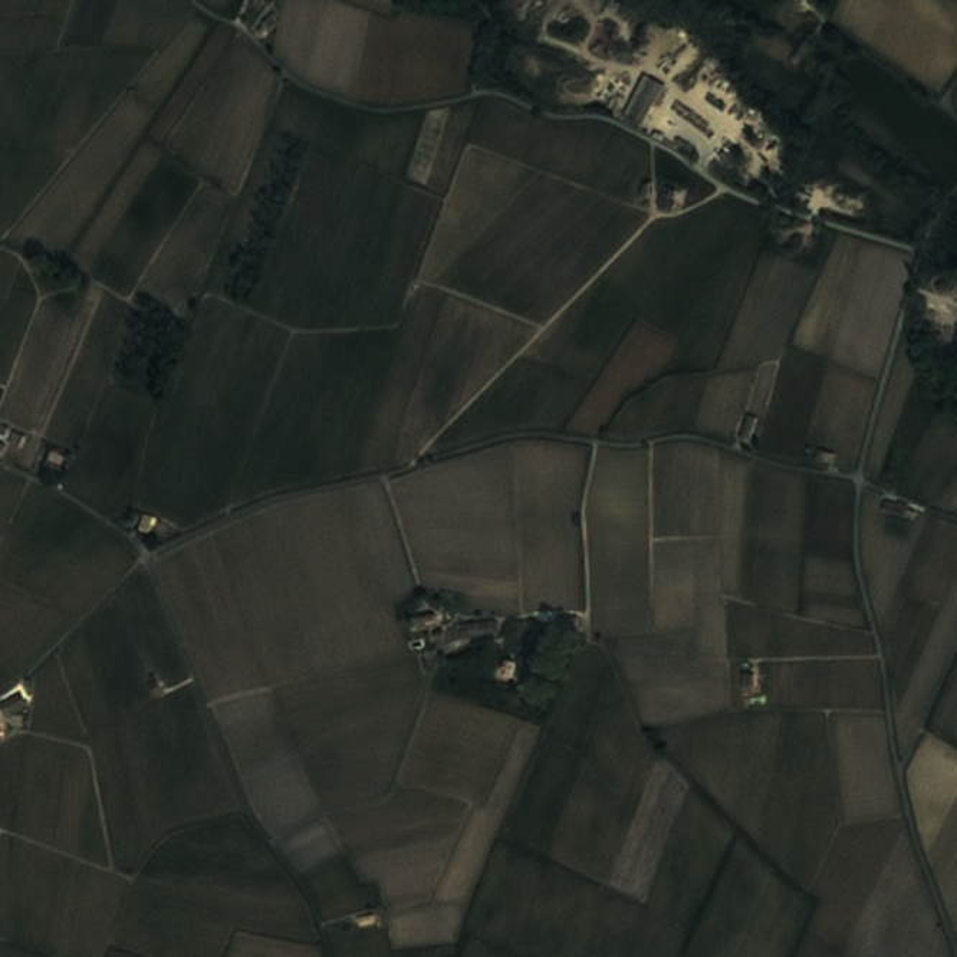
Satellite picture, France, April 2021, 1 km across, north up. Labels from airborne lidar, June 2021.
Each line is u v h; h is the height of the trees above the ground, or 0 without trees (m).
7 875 0
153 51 0
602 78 0
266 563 0
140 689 0
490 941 0
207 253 0
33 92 0
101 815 0
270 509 0
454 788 0
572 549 0
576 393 0
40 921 0
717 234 0
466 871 0
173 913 0
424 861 0
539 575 0
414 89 0
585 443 0
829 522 0
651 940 0
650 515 0
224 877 0
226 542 0
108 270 0
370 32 0
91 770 0
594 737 0
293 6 0
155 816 0
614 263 0
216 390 0
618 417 0
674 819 0
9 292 0
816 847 0
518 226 0
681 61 0
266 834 0
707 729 0
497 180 0
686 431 0
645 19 14
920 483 0
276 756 0
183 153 0
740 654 0
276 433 0
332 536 0
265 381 0
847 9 0
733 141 0
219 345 0
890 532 0
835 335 0
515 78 7
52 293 0
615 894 0
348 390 0
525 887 0
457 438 0
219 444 0
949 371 22
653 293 0
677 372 0
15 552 0
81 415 0
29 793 0
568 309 0
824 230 12
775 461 0
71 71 0
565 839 0
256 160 0
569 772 0
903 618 0
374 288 0
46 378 0
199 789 0
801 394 0
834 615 0
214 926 0
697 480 0
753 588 0
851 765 0
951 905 0
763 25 18
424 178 0
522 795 0
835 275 0
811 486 0
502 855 0
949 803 0
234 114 0
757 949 0
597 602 0
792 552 0
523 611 0
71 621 0
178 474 0
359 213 0
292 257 0
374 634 0
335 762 0
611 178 0
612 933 0
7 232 0
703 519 0
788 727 0
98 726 0
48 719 0
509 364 0
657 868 0
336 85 0
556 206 0
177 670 0
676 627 0
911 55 0
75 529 0
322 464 0
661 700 0
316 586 0
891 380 0
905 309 12
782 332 0
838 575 0
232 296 14
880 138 0
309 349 0
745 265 0
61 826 0
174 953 0
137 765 0
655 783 0
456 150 0
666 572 0
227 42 0
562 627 32
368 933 0
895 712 0
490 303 0
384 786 0
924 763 0
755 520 0
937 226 14
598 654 0
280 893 0
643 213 0
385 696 0
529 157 0
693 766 0
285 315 0
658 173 0
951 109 0
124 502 0
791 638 0
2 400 0
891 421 0
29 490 0
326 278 0
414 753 0
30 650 0
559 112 8
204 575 0
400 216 0
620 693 0
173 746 0
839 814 0
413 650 0
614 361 0
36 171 0
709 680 0
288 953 0
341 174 0
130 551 0
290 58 0
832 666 0
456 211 0
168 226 0
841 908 0
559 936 0
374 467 0
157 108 0
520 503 0
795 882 0
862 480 0
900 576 0
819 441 0
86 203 0
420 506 0
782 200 13
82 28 0
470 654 7
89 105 0
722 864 0
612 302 0
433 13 13
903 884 0
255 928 0
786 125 26
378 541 0
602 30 0
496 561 0
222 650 0
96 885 0
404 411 0
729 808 0
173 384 0
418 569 0
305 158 14
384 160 0
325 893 0
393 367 0
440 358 0
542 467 0
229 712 0
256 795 0
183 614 0
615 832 0
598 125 0
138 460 0
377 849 0
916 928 0
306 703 0
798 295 0
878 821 0
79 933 0
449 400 0
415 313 0
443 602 9
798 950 0
